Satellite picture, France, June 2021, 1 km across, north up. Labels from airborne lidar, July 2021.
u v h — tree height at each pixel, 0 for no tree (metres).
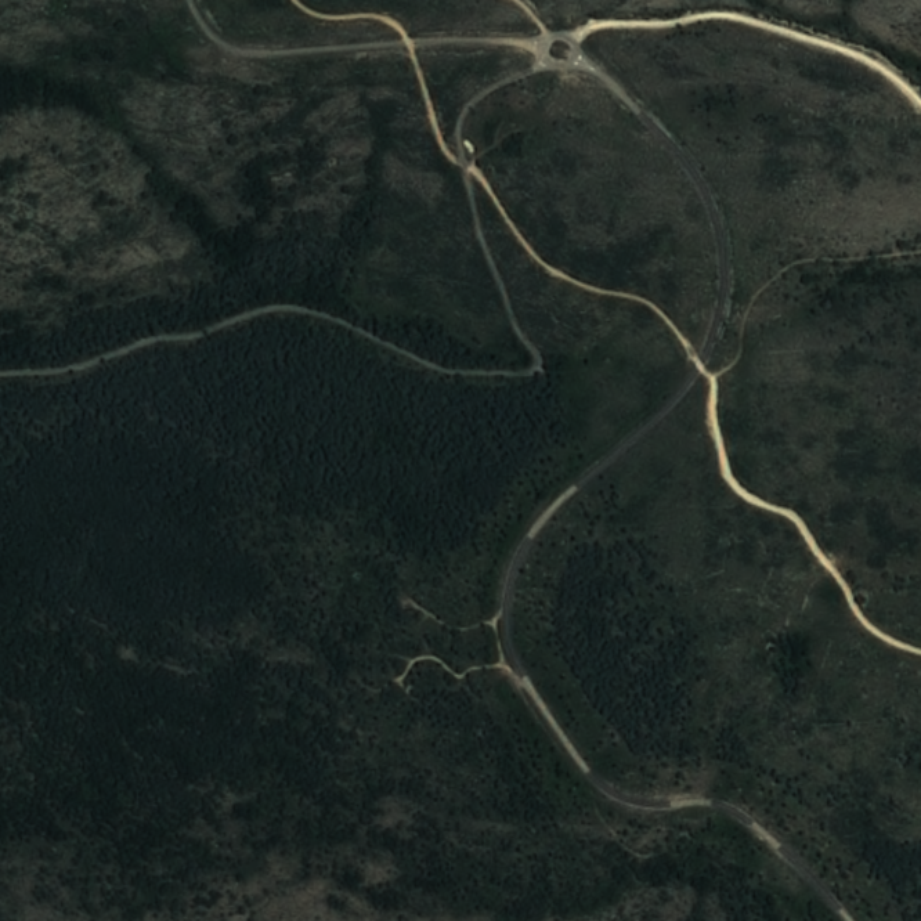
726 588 0
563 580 6
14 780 7
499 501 9
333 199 0
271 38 0
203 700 10
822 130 0
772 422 0
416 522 13
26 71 7
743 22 0
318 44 0
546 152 0
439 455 9
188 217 10
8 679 8
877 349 0
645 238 0
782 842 0
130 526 10
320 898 0
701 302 0
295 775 8
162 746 8
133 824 6
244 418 9
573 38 0
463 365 15
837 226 0
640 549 9
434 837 6
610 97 0
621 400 0
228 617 8
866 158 0
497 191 0
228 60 0
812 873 0
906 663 0
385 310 0
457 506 10
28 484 9
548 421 14
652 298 0
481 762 7
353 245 10
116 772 7
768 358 0
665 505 0
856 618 0
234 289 12
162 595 7
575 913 10
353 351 9
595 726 0
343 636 8
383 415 12
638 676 9
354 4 0
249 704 11
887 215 0
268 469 7
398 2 0
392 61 0
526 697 0
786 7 0
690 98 0
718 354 0
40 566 9
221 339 8
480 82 0
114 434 6
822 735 0
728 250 0
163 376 10
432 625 0
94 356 8
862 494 0
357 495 10
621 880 8
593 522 7
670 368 0
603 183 0
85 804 9
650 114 0
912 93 0
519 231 0
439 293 0
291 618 8
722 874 7
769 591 0
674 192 0
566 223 0
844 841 0
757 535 0
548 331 0
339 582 8
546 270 0
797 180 0
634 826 9
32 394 7
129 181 0
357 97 0
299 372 11
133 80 0
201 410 10
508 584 0
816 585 0
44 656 8
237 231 9
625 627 7
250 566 9
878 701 0
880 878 11
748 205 0
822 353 0
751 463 0
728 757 11
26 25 0
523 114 0
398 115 0
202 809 6
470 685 6
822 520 0
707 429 0
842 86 0
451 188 0
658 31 0
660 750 7
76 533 9
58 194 0
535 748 6
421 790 6
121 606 7
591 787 0
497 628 0
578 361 0
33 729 7
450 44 0
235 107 0
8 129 0
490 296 0
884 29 0
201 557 8
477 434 13
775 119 8
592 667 10
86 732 7
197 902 7
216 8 0
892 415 0
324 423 12
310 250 13
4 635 8
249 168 9
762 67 0
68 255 7
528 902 7
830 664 0
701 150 0
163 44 0
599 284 0
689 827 6
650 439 0
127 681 7
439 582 8
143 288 0
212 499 9
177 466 7
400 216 0
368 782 8
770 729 0
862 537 0
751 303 0
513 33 0
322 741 8
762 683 0
